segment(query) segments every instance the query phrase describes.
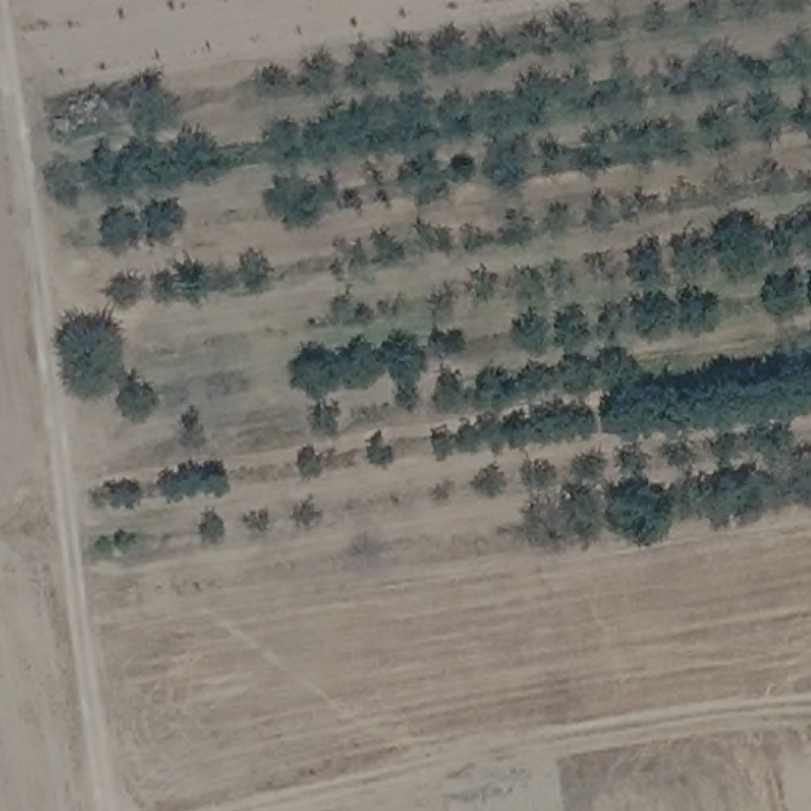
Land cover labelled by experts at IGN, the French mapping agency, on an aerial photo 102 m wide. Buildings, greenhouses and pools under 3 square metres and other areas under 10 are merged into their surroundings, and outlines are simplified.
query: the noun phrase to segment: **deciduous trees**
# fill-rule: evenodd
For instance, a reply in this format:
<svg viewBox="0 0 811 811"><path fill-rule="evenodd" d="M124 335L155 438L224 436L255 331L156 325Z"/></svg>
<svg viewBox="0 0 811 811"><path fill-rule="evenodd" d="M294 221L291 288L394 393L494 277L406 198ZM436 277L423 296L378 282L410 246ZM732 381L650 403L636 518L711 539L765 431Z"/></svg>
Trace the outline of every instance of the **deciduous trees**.
<svg viewBox="0 0 811 811"><path fill-rule="evenodd" d="M339 386L367 386L377 377L390 374L396 380L399 406L412 412L418 396L418 374L425 371L428 358L463 352L459 329L434 329L431 342L421 348L409 333L393 333L383 345L371 345L355 336L342 348L304 345L288 364L291 386L314 396Z"/></svg>
<svg viewBox="0 0 811 811"><path fill-rule="evenodd" d="M133 304L139 298L139 282L133 276L114 276L108 285L108 298L114 298L124 307Z"/></svg>
<svg viewBox="0 0 811 811"><path fill-rule="evenodd" d="M713 38L713 29L722 22L754 19L760 10L757 0L649 0L653 6L643 13L646 32L659 32L662 38L687 38L697 44L697 57L675 57L668 63L668 76L630 73L627 79L596 82L589 79L583 63L573 63L573 70L564 76L545 76L529 70L526 76L520 76L513 92L478 92L466 98L459 92L450 92L444 98L428 98L421 79L431 73L440 76L456 70L494 70L504 60L523 54L570 54L596 41L618 38L627 29L624 16L583 22L570 16L551 16L504 32L482 29L478 44L466 44L459 29L447 25L431 38L393 35L386 51L371 51L364 41L355 44L345 82L361 89L383 79L396 79L399 98L364 98L358 105L333 101L317 120L269 124L257 143L219 146L206 133L193 133L187 117L181 114L177 95L162 89L158 73L139 73L133 79L108 86L70 89L44 101L51 120L101 120L105 114L124 108L133 124L133 139L120 152L111 152L108 143L95 143L86 162L67 162L67 155L57 155L41 171L44 193L51 200L57 200L60 206L73 206L79 196L105 190L133 193L136 187L209 184L219 174L241 165L323 158L339 162L367 152L402 155L406 165L399 168L399 187L402 196L415 203L434 203L447 196L459 181L488 181L491 187L507 190L526 181L529 133L542 127L545 105L554 98L567 105L573 114L586 114L608 101L646 101L665 95L684 98L694 92L751 82L751 98L725 98L713 105L706 114L700 114L700 120L684 124L602 124L599 130L580 139L580 146L561 146L545 139L545 174L602 171L611 165L684 162L697 152L732 149L735 143L776 139L782 130L792 127L805 133L811 130L811 41L808 35L792 35L789 41L776 44L776 51L763 60L722 48L719 38ZM485 158L456 155L453 162L437 162L440 143L475 133L488 139Z"/></svg>
<svg viewBox="0 0 811 811"><path fill-rule="evenodd" d="M95 561L105 561L117 548L130 548L136 542L136 532L117 529L114 535L98 535L89 548L82 548L82 551Z"/></svg>
<svg viewBox="0 0 811 811"><path fill-rule="evenodd" d="M336 463L336 450L301 450L298 469L307 478L320 475L323 469L333 469Z"/></svg>
<svg viewBox="0 0 811 811"><path fill-rule="evenodd" d="M497 231L463 228L466 250L475 253L482 247L513 247L529 244L532 238L564 234L567 228L608 231L611 225L640 219L646 212L719 206L725 196L773 196L811 190L811 174L801 171L798 177L786 177L786 171L773 158L763 158L754 171L744 174L744 181L735 184L729 177L729 168L719 165L700 190L678 177L668 196L621 190L567 193L561 203L548 203L545 212L526 215L523 209L507 209L504 228Z"/></svg>
<svg viewBox="0 0 811 811"><path fill-rule="evenodd" d="M700 390L643 390L640 377L646 374L646 367L621 348L618 333L640 333L643 339L659 339L678 329L710 333L719 323L716 295L710 291L681 288L668 298L662 291L640 291L640 279L659 272L656 238L637 244L634 250L621 247L605 253L586 253L580 260L554 260L545 266L526 266L513 272L478 269L469 279L444 282L434 295L428 295L434 307L453 307L456 298L469 295L485 301L491 295L513 298L520 310L520 317L510 326L516 348L545 352L558 345L561 361L526 364L520 371L485 367L475 374L475 386L463 386L456 374L440 374L434 390L434 409L475 409L478 421L463 425L459 431L434 431L434 456L472 453L482 447L504 450L523 444L558 444L570 437L589 437L589 418L548 418L532 428L504 431L501 406L513 396L539 393L548 386L564 386L567 393L605 393L599 409L605 418L605 434L621 437L621 482L646 478L637 437L665 428L716 428L716 469L729 466L732 453L738 450L760 450L767 456L767 466L751 469L748 482L741 485L722 482L719 491L697 491L700 475L681 478L675 485L646 482L643 491L637 491L630 501L608 497L611 482L602 475L599 453L577 456L567 466L523 463L529 504L520 523L497 526L497 532L526 542L535 548L558 551L580 542L592 542L599 532L608 529L637 545L649 545L662 539L668 526L678 520L710 520L710 526L722 529L735 516L751 523L760 513L773 513L792 504L811 504L811 371L782 367L779 377L760 383L725 380Z"/></svg>
<svg viewBox="0 0 811 811"><path fill-rule="evenodd" d="M329 276L352 272L355 266L393 266L402 257L425 257L434 250L447 253L447 228L415 222L415 238L406 241L393 241L386 231L364 234L355 244L348 238L333 238Z"/></svg>
<svg viewBox="0 0 811 811"><path fill-rule="evenodd" d="M336 190L333 177L307 184L301 177L276 177L263 200L266 209L288 228L317 222Z"/></svg>
<svg viewBox="0 0 811 811"><path fill-rule="evenodd" d="M206 291L263 291L269 279L269 263L257 250L247 250L241 253L241 263L231 269L181 263L168 272L155 272L155 298L200 301Z"/></svg>
<svg viewBox="0 0 811 811"><path fill-rule="evenodd" d="M732 282L757 282L760 304L770 317L789 317L801 307L811 307L811 272L808 291L795 288L792 247L801 247L805 253L811 250L811 206L779 215L776 225L763 225L751 212L729 212L713 225L710 234L672 238L672 253L716 253L722 272Z"/></svg>
<svg viewBox="0 0 811 811"><path fill-rule="evenodd" d="M117 399L120 415L143 421L155 409L155 390L149 383L139 383L136 374L124 367L124 339L111 317L70 314L63 320L54 336L60 374L67 390L82 399L108 393Z"/></svg>
<svg viewBox="0 0 811 811"><path fill-rule="evenodd" d="M260 95L317 95L333 89L333 60L326 54L314 54L301 63L301 73L285 73L282 67L260 70Z"/></svg>
<svg viewBox="0 0 811 811"><path fill-rule="evenodd" d="M497 466L485 466L472 482L478 494L494 497L504 488L504 475Z"/></svg>
<svg viewBox="0 0 811 811"><path fill-rule="evenodd" d="M367 304L336 295L329 301L326 317L307 317L307 326L352 326L367 320Z"/></svg>
<svg viewBox="0 0 811 811"><path fill-rule="evenodd" d="M184 482L162 485L162 494L225 494L228 478L222 472L190 475Z"/></svg>
<svg viewBox="0 0 811 811"><path fill-rule="evenodd" d="M136 241L168 241L181 228L184 212L174 200L152 200L143 212L130 212L124 206L105 209L105 250L114 253L133 247Z"/></svg>
<svg viewBox="0 0 811 811"><path fill-rule="evenodd" d="M314 431L336 437L339 409L323 402L310 409Z"/></svg>

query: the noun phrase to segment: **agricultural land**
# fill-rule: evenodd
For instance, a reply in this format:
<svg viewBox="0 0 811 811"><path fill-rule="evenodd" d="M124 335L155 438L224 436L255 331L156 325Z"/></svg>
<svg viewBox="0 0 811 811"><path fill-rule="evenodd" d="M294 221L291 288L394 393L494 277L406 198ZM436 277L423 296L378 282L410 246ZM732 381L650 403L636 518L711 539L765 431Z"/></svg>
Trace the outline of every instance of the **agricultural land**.
<svg viewBox="0 0 811 811"><path fill-rule="evenodd" d="M60 570L60 539L54 523L51 437L44 428L41 374L32 326L32 298L41 295L41 276L35 263L25 260L22 247L22 238L32 231L32 212L29 206L13 203L16 171L10 139L16 136L16 127L3 117L0 108L0 811L95 811L92 782L86 773L86 738L70 618L63 602L63 583L54 573Z"/></svg>
<svg viewBox="0 0 811 811"><path fill-rule="evenodd" d="M551 789L516 782L516 792L504 798L453 805L444 801L444 811L811 811L811 700L751 703L640 719L634 738L637 744L561 757L561 779Z"/></svg>
<svg viewBox="0 0 811 811"><path fill-rule="evenodd" d="M786 539L773 545L751 545L741 551L665 561L640 570L637 577L630 577L627 570L615 570L608 577L592 573L586 580L580 580L558 551L535 548L526 542L516 554L488 554L434 567L386 567L371 570L367 577L342 570L329 577L263 580L250 586L241 577L241 570L247 570L247 561L238 548L228 548L222 539L196 554L174 554L146 564L105 561L95 561L82 551L89 627L98 637L105 659L105 672L98 672L98 691L111 735L114 779L124 786L127 798L139 811L196 811L206 805L250 798L260 792L291 789L307 779L342 776L390 760L396 754L409 754L409 744L386 748L383 738L367 735L364 729L352 735L336 735L345 719L333 713L329 700L355 700L364 719L396 713L396 719L380 725L409 729L409 735L469 729L472 735L526 732L539 725L586 722L602 716L722 697L811 691L811 539Z"/></svg>

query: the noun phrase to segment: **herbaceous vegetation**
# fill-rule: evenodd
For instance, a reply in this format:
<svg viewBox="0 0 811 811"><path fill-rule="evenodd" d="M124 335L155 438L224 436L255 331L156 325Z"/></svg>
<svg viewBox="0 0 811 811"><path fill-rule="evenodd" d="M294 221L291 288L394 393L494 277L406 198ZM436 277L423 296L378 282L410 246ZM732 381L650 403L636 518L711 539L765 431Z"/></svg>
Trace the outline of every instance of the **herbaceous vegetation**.
<svg viewBox="0 0 811 811"><path fill-rule="evenodd" d="M776 51L776 44L789 41L792 35L808 35L811 41L811 0L757 0L760 10L754 19L722 22L713 29L713 38L719 38L722 48L763 60Z"/></svg>
<svg viewBox="0 0 811 811"><path fill-rule="evenodd" d="M805 253L801 247L792 247L795 288L808 291L811 272L811 250Z"/></svg>
<svg viewBox="0 0 811 811"><path fill-rule="evenodd" d="M67 162L86 162L95 143L108 143L111 152L120 152L133 139L133 124L124 108L105 114L101 120L51 120L44 101L70 89L108 86L133 79L139 73L158 73L162 89L177 95L181 114L187 117L193 133L206 133L219 146L257 143L269 124L317 120L333 101L358 105L364 98L399 98L396 79L383 79L361 89L345 82L355 44L364 41L371 51L386 51L393 35L431 38L447 25L459 29L466 44L478 44L482 29L504 32L551 16L570 16L583 22L624 16L627 29L618 38L596 41L570 54L523 54L504 60L494 70L456 70L440 76L431 73L421 79L428 98L444 98L450 92L459 92L466 98L478 92L513 92L520 76L526 76L529 70L545 76L564 76L573 70L573 63L583 63L589 79L596 82L627 79L630 73L668 76L668 63L675 57L697 57L697 44L687 38L662 38L659 32L646 32L643 13L653 6L649 0L6 0L16 29L19 79L32 130L32 162L41 171L57 155L67 155ZM333 60L333 89L317 95L260 95L260 70L282 67L285 73L301 73L301 63L314 54L326 54Z"/></svg>
<svg viewBox="0 0 811 811"><path fill-rule="evenodd" d="M485 367L520 371L526 364L561 361L558 345L545 352L516 348L510 326L520 317L520 310L513 298L491 295L485 301L469 295L456 298L453 307L434 307L428 295L434 295L444 282L469 279L478 269L513 272L526 266L545 266L554 260L580 260L586 253L605 253L621 247L634 250L637 244L656 238L659 272L640 279L640 291L662 291L668 298L681 288L710 291L716 295L719 323L710 333L678 329L659 339L643 339L640 333L618 333L621 348L646 367L646 374L640 377L643 390L700 390L725 380L760 383L779 377L782 367L811 371L811 307L801 307L789 317L770 317L760 304L757 282L732 282L722 272L716 253L672 253L672 238L710 234L713 225L729 212L751 212L763 225L776 225L779 215L811 206L811 190L773 196L725 196L719 206L646 212L640 219L611 225L608 231L567 228L564 234L532 238L529 244L513 247L482 247L475 253L466 250L463 228L497 231L504 228L507 209L523 209L526 215L545 212L548 203L561 203L567 193L621 190L668 196L678 177L700 190L719 165L729 168L729 177L735 184L744 181L744 174L754 171L763 158L773 158L786 171L786 177L798 177L801 171L811 174L811 130L805 133L792 127L782 130L776 139L735 143L732 149L697 152L684 162L611 165L602 171L545 174L545 139L561 146L580 146L580 139L599 130L602 124L684 124L700 120L700 114L706 114L713 105L725 98L751 98L751 82L694 92L684 98L665 95L646 101L608 101L586 114L573 114L567 105L554 98L545 105L542 127L529 133L526 181L507 190L491 187L488 181L459 181L447 196L434 203L415 203L402 196L399 187L399 168L406 165L402 155L367 152L339 162L323 158L241 165L219 174L209 184L136 187L133 193L105 190L79 196L73 206L60 206L57 200L51 200L44 203L48 234L57 238L57 244L48 250L51 307L63 320L70 314L111 317L124 339L124 367L136 374L139 383L149 383L155 390L155 409L143 421L120 415L117 399L108 393L82 399L70 421L73 475L76 485L89 494L89 501L79 507L82 548L89 548L98 535L114 535L117 529L136 532L136 542L130 548L117 548L105 561L146 564L174 554L196 554L222 539L228 548L238 548L247 561L247 570L241 570L241 577L250 586L263 580L329 577L342 570L367 577L371 570L386 567L434 567L488 554L516 554L526 542L497 532L497 526L520 523L529 504L523 463L567 466L577 456L599 453L602 475L611 482L608 497L630 501L637 491L643 491L646 482L675 485L681 478L700 475L697 491L719 491L722 482L741 485L748 482L751 469L767 466L767 456L760 450L738 450L732 453L729 466L716 469L716 428L665 428L637 437L646 478L621 482L621 437L605 434L605 418L599 409L605 393L567 393L564 386L548 386L539 393L513 396L501 406L504 431L532 428L548 418L589 418L589 437L570 437L558 444L523 444L504 450L482 447L472 453L434 456L434 431L459 431L463 425L478 421L475 409L434 409L434 390L440 374L456 374L463 386L475 386L475 374ZM336 190L317 222L288 228L266 209L263 200L276 177L301 177L307 184L333 177ZM174 200L184 212L181 228L168 241L136 241L133 247L114 253L105 250L105 209L124 206L130 212L143 212L152 200ZM425 257L402 257L393 266L355 266L352 272L329 276L333 238L348 238L355 244L364 234L386 231L393 241L406 241L415 238L415 222L447 228L447 253L434 250ZM206 291L200 301L155 298L155 272L168 272L181 263L231 269L241 263L241 253L247 250L257 250L269 263L269 279L263 291ZM139 282L139 298L133 304L124 307L114 298L108 298L108 285L114 276L133 276ZM326 317L329 301L336 295L367 304L367 320L352 326L307 326L307 317ZM418 396L412 412L399 406L396 380L390 374L377 377L367 386L339 386L314 396L291 386L288 364L304 345L342 348L355 336L371 345L383 345L393 333L409 333L421 348L431 342L434 329L459 329L463 352L428 358L425 371L418 374ZM310 409L323 402L339 409L336 437L314 431ZM336 463L333 469L323 469L320 475L307 478L298 469L301 450L336 450ZM504 488L494 497L478 494L472 482L485 466L497 466L504 475ZM162 485L184 482L190 475L222 472L228 478L225 494L162 494Z"/></svg>
<svg viewBox="0 0 811 811"><path fill-rule="evenodd" d="M437 162L453 162L456 155L485 158L488 139L475 133L440 143Z"/></svg>
<svg viewBox="0 0 811 811"><path fill-rule="evenodd" d="M580 542L558 551L580 580L586 580L592 573L608 577L615 570L627 570L630 577L637 577L640 570L665 561L741 551L751 545L773 545L786 539L811 539L811 504L792 504L773 513L760 513L751 523L735 516L722 529L710 526L710 520L678 520L668 526L662 539L649 545L637 545L608 529L599 532L592 542Z"/></svg>

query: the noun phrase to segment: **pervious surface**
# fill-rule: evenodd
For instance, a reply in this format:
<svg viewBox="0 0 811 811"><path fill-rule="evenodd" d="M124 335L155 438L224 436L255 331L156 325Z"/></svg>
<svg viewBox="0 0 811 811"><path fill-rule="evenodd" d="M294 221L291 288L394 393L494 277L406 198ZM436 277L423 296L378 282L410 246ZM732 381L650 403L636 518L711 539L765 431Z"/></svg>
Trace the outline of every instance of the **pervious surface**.
<svg viewBox="0 0 811 811"><path fill-rule="evenodd" d="M383 738L386 748L409 744L409 754L396 754L390 760L342 776L307 779L291 789L260 792L250 798L206 805L196 811L444 811L444 801L453 805L504 798L516 792L516 782L551 789L561 779L561 757L637 744L634 738L640 719L751 703L811 700L811 691L722 697L602 716L586 722L539 725L526 732L472 735L469 729L409 735L409 729L380 725L396 719L396 713L364 719L355 700L329 700L333 713L345 719L336 735L352 735L364 729L367 735Z"/></svg>
<svg viewBox="0 0 811 811"><path fill-rule="evenodd" d="M67 390L60 374L54 336L63 320L51 307L48 250L57 244L57 238L48 234L44 203L51 200L44 193L41 171L32 162L32 130L19 79L16 29L6 0L0 0L0 108L3 117L16 127L16 136L10 139L16 171L13 203L29 206L32 212L32 231L22 238L22 247L25 260L35 263L41 276L41 295L32 298L32 326L41 374L44 428L51 437L54 523L60 539L60 570L54 573L63 583L63 602L70 618L86 738L86 773L92 782L95 811L139 811L127 798L124 786L114 779L111 735L98 691L98 672L105 672L105 659L98 637L89 627L82 551L82 548L79 507L89 501L89 494L76 485L73 475L70 421L82 399Z"/></svg>

